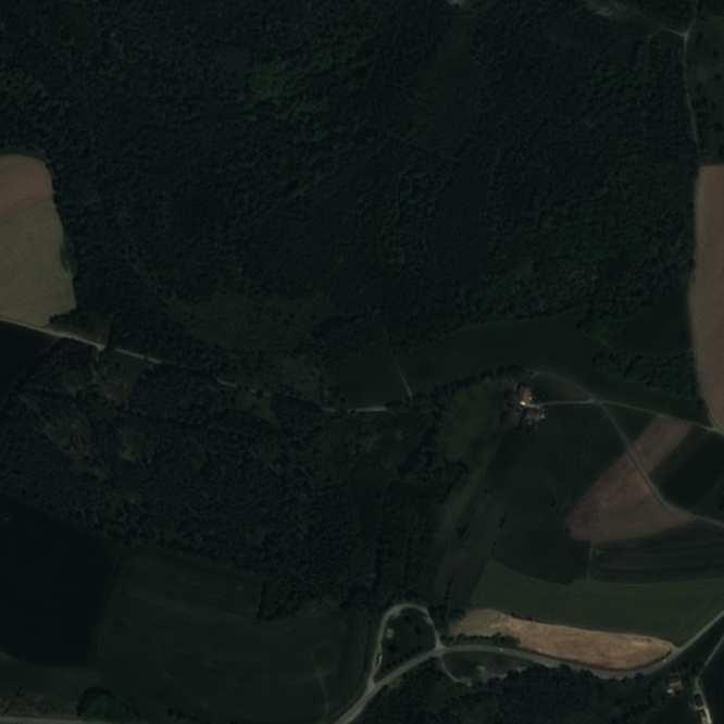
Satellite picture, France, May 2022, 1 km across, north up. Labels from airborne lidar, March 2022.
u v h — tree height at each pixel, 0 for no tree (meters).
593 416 0
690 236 10
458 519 0
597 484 0
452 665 0
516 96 12
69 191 20
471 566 0
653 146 12
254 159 22
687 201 0
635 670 0
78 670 0
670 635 0
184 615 0
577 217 13
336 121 15
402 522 7
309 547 20
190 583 0
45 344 0
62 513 19
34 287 0
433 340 10
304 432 10
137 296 13
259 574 17
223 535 22
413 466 32
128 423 19
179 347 7
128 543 13
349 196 9
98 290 11
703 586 0
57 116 12
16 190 0
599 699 22
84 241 21
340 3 23
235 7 19
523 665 0
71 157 15
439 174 23
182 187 16
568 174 12
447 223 12
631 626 0
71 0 6
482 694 20
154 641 0
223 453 16
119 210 33
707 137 18
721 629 0
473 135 13
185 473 26
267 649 0
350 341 17
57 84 20
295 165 16
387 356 0
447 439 0
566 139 17
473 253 12
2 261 0
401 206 12
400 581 14
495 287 14
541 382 0
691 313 0
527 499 0
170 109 26
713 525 0
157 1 25
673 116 10
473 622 0
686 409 0
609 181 12
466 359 0
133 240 31
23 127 13
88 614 0
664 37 0
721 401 0
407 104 11
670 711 0
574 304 10
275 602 15
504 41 16
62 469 26
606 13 0
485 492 0
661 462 0
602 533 0
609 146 12
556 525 0
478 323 11
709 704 0
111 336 7
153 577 0
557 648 0
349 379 0
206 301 11
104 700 24
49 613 0
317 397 0
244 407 0
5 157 0
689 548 0
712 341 0
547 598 0
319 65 17
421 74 9
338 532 10
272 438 7
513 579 0
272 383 0
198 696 0
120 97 19
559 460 0
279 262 16
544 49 16
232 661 0
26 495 20
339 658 0
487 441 0
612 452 0
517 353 0
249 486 23
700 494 0
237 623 0
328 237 12
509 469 0
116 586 0
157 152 25
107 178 22
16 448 21
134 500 0
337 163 23
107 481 0
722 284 0
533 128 8
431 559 0
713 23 0
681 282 17
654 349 0
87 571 0
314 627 0
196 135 25
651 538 0
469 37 0
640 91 14
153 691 0
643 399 0
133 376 0
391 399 0
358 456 7
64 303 0
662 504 0
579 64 7
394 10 8
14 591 0
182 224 8
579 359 0
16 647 0
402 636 0
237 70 20
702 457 0
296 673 0
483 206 9
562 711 26
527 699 26
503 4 13
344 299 8
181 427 23
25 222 0
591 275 13
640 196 9
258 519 21
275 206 10
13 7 22
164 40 21
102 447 24
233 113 22
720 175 0
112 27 25
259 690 0
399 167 8
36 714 0
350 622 0
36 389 13
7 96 11
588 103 10
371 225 12
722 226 0
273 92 25
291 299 10
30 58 21
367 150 23
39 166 0
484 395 0
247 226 12
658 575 0
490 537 0
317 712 0
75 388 0
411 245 17
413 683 6
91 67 26
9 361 0
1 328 0
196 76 15
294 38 22
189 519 21
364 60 21
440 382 0
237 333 0
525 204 9
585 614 0
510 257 17
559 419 0
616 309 16
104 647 0
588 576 0
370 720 8
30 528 0
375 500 5
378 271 14
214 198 10
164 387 22
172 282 12
